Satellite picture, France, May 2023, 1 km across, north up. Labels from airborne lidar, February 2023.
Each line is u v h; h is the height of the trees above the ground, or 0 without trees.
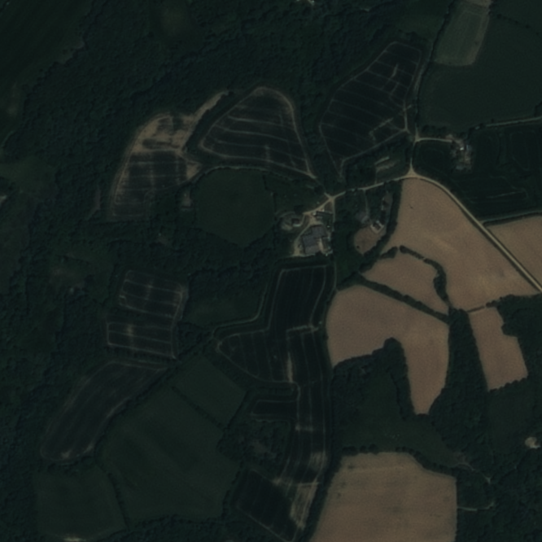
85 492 0
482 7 11
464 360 19
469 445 16
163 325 0
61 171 14
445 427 18
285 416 0
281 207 0
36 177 0
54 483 0
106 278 0
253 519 0
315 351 0
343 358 0
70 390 11
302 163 0
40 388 8
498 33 0
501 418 0
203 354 7
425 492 0
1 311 18
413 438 0
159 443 0
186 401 7
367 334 0
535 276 0
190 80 17
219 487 0
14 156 11
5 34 0
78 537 0
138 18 20
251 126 0
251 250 15
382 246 10
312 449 0
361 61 8
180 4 0
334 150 0
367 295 0
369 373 17
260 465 11
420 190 0
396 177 0
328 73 15
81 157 18
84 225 18
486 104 0
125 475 0
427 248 0
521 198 0
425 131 9
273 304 0
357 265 0
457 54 0
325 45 5
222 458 0
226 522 16
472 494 11
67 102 18
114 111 13
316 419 0
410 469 0
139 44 21
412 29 0
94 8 10
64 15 0
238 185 0
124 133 17
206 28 21
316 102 9
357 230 0
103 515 0
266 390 6
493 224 7
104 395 0
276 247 9
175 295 0
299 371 0
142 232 14
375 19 18
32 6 0
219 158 0
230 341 0
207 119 9
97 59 19
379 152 12
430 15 0
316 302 0
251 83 15
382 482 0
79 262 9
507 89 0
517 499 6
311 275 0
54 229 13
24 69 0
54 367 16
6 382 6
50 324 0
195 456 0
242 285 20
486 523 8
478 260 0
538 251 0
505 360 0
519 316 9
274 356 0
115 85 19
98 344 21
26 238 0
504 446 0
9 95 0
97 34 20
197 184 7
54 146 19
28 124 11
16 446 17
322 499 12
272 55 14
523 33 0
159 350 0
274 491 0
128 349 0
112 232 16
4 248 0
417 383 0
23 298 18
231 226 0
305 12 8
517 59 0
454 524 0
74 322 20
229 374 8
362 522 0
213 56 21
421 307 11
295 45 26
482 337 0
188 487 0
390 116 0
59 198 12
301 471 0
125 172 0
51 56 0
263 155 0
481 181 0
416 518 0
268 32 11
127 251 22
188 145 11
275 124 0
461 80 0
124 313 8
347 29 10
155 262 20
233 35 9
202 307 0
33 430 16
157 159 0
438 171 0
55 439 0
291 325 0
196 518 0
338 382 10
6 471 20
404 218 0
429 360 0
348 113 0
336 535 0
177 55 7
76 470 9
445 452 0
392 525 0
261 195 0
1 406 15
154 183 0
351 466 0
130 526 9
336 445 14
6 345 15
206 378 0
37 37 0
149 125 0
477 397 15
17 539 16
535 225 0
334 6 18
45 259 18
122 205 0
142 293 0
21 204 0
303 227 0
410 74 0
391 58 0
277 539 0
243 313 0
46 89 20
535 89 0
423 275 0
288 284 0
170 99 15
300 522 0
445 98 0
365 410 0
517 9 0
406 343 0
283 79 18
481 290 0
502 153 6
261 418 0
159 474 0
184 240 13
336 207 0
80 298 20
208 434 0
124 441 0
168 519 8
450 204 0
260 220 0
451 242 0
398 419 0
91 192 14
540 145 0
